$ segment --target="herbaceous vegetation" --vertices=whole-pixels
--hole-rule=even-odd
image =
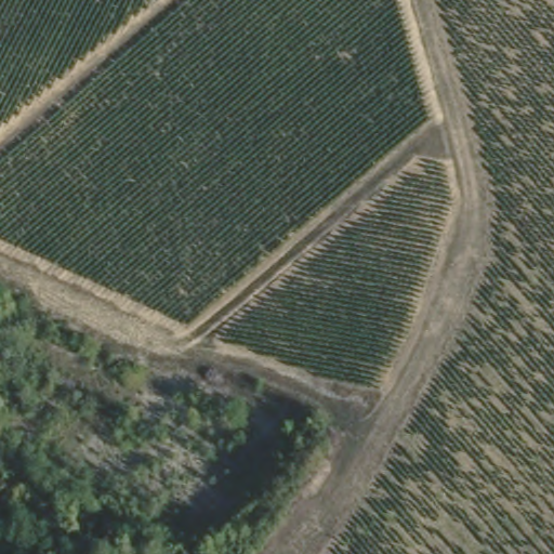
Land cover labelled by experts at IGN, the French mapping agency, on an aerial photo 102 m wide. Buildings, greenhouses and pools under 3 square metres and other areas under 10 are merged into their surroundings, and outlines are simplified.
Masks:
[[[416,416],[416,409],[428,394],[433,379],[439,374],[441,364],[461,351],[457,338],[467,318],[465,305],[476,299],[478,288],[485,281],[485,271],[496,262],[491,242],[491,223],[498,210],[493,197],[493,182],[491,175],[483,169],[480,139],[474,132],[470,100],[465,95],[461,74],[452,56],[452,48],[448,43],[448,32],[439,17],[437,0],[398,0],[420,89],[428,110],[426,121],[411,134],[407,134],[381,160],[377,160],[331,203],[318,210],[303,227],[290,232],[288,238],[275,251],[260,258],[258,266],[249,268],[240,281],[225,288],[221,296],[212,301],[193,322],[177,322],[156,309],[145,307],[143,303],[132,301],[126,294],[108,290],[87,277],[61,268],[54,262],[48,262],[30,251],[24,251],[22,247],[15,247],[11,242],[0,245],[0,294],[4,290],[11,290],[11,294],[15,294],[28,288],[39,301],[39,307],[50,312],[54,318],[65,318],[71,331],[84,331],[87,338],[95,338],[97,344],[104,344],[108,338],[113,338],[113,359],[132,359],[139,366],[147,368],[147,379],[141,385],[130,387],[126,381],[117,383],[108,379],[102,366],[97,366],[97,357],[84,357],[82,353],[71,353],[61,344],[35,338],[35,346],[43,351],[41,366],[50,368],[48,379],[56,381],[58,385],[69,387],[82,383],[89,390],[97,390],[110,400],[123,405],[134,420],[149,418],[149,405],[160,405],[162,396],[184,396],[193,392],[195,385],[206,394],[223,396],[229,394],[232,385],[249,390],[258,381],[264,383],[268,390],[264,390],[255,407],[249,409],[245,444],[240,444],[234,450],[227,450],[227,441],[223,441],[216,450],[216,457],[206,465],[201,465],[199,457],[193,450],[184,450],[169,437],[147,439],[141,446],[141,452],[119,454],[119,448],[113,446],[117,439],[115,431],[110,426],[104,426],[104,420],[95,411],[93,416],[87,416],[80,422],[69,418],[69,422],[54,435],[52,441],[67,452],[65,457],[76,467],[82,467],[87,461],[100,465],[102,470],[108,470],[113,465],[132,467],[136,483],[149,487],[147,493],[151,500],[151,515],[160,517],[160,526],[167,530],[167,539],[171,543],[184,545],[186,554],[203,554],[201,545],[208,537],[221,532],[245,504],[249,504],[255,498],[262,498],[264,493],[273,493],[277,489],[275,480],[279,476],[288,476],[296,444],[286,433],[283,424],[286,420],[292,420],[296,413],[301,413],[307,405],[314,411],[325,411],[331,418],[331,424],[327,428],[331,448],[340,448],[335,452],[335,461],[331,463],[331,474],[316,493],[307,485],[301,487],[279,511],[273,528],[249,554],[331,554],[335,543],[346,532],[351,517],[357,515],[368,502],[366,498],[387,498],[387,491],[377,485],[377,478],[387,472],[387,461],[394,448],[405,446],[409,452],[426,450],[426,437],[409,433],[409,424]],[[242,318],[271,290],[281,288],[283,281],[296,268],[301,268],[309,258],[316,258],[322,249],[327,249],[335,240],[335,236],[340,236],[342,229],[353,227],[353,223],[359,221],[366,212],[372,212],[374,206],[383,201],[390,195],[390,190],[396,184],[400,184],[403,177],[407,177],[409,173],[420,175],[422,164],[426,160],[439,162],[444,167],[450,199],[444,214],[444,223],[439,227],[439,238],[428,258],[428,268],[422,273],[420,283],[416,286],[413,305],[405,320],[403,335],[392,353],[390,364],[383,368],[381,377],[374,383],[359,385],[338,379],[314,377],[307,370],[286,366],[275,357],[258,355],[245,346],[223,342],[234,320]]]
[[[132,32],[136,32],[158,11],[162,11],[171,0],[149,0],[139,13],[130,15],[102,43],[97,43],[82,58],[78,58],[74,67],[69,67],[61,78],[52,80],[52,84],[48,84],[39,95],[19,106],[15,115],[0,123],[0,139],[11,141],[13,134],[22,130],[26,123],[30,123],[30,119],[39,110],[48,108],[54,97],[65,93],[89,69],[102,63],[119,43],[123,43]]]

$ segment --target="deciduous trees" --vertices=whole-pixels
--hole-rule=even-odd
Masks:
[[[0,554],[186,554],[184,545],[171,543],[167,539],[167,530],[160,526],[160,517],[151,515],[151,500],[147,493],[149,487],[136,483],[132,467],[113,465],[108,470],[102,470],[100,465],[87,461],[82,467],[76,467],[65,457],[67,452],[52,441],[39,435],[39,439],[28,444],[26,452],[22,452],[17,444],[22,439],[22,431],[17,431],[13,420],[26,422],[35,418],[39,403],[45,403],[58,385],[56,381],[48,379],[50,368],[41,366],[43,351],[35,346],[35,338],[32,320],[24,320],[22,325],[13,327],[11,320],[0,312]]]

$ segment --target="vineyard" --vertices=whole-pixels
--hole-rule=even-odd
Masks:
[[[335,543],[331,554],[554,554],[554,0],[437,0],[439,17],[448,32],[448,43],[452,48],[452,56],[461,74],[465,95],[470,100],[474,132],[480,139],[483,169],[491,175],[493,182],[493,197],[498,210],[491,223],[491,242],[496,262],[485,271],[485,281],[478,288],[476,299],[465,305],[467,318],[457,338],[461,351],[441,364],[439,374],[433,379],[428,394],[416,409],[416,416],[409,424],[409,433],[426,437],[426,450],[409,452],[405,446],[394,448],[387,461],[387,472],[377,478],[377,485],[387,491],[387,498],[366,498],[368,502],[357,515],[351,517],[346,532]]]
[[[177,322],[193,322],[212,301],[221,296],[225,288],[240,281],[249,268],[258,266],[260,258],[275,251],[288,238],[290,232],[303,227],[318,210],[331,203],[377,160],[381,160],[407,134],[411,134],[426,121],[428,110],[420,89],[398,0],[171,0],[162,11],[158,11],[136,32],[132,32],[123,43],[119,43],[102,63],[89,69],[65,93],[54,97],[48,108],[39,110],[30,119],[30,123],[26,123],[22,130],[13,134],[11,141],[0,139],[0,245],[11,242],[15,247],[22,247],[24,251],[30,251],[48,262],[54,262],[61,268],[87,277],[108,290],[126,294],[132,301],[143,303],[145,307],[156,309]]]
[[[309,258],[301,268],[296,268],[283,281],[281,288],[271,290],[242,318],[234,320],[223,342],[245,346],[258,355],[275,357],[286,366],[307,370],[314,377],[338,379],[359,385],[374,383],[381,377],[383,368],[390,364],[392,353],[403,335],[405,320],[413,305],[416,286],[420,283],[422,273],[428,268],[428,258],[439,238],[439,227],[444,223],[444,214],[450,199],[444,167],[439,162],[426,160],[422,164],[420,175],[409,173],[407,177],[403,177],[400,184],[396,184],[390,190],[390,195],[383,201],[374,206],[372,212],[366,212],[359,221],[353,223],[353,227],[342,229],[340,236],[335,236],[335,240],[327,249],[322,249],[316,258]]]
[[[0,0],[0,123],[15,115],[19,106],[39,95],[48,84],[52,84],[52,80],[61,78],[69,67],[74,67],[78,58],[82,58],[97,43],[102,43],[130,15],[139,13],[149,0]]]

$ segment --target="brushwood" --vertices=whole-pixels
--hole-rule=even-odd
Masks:
[[[110,400],[97,390],[89,390],[82,383],[69,387],[58,385],[45,403],[39,403],[35,418],[26,422],[13,420],[17,431],[22,431],[22,439],[17,444],[22,452],[26,452],[28,444],[39,439],[39,435],[52,441],[54,435],[69,422],[69,418],[80,422],[87,416],[93,416],[95,411],[104,420],[104,426],[110,426],[115,431],[117,439],[113,446],[119,448],[119,454],[141,452],[141,446],[147,439],[169,437],[184,450],[193,450],[199,457],[201,465],[206,465],[216,457],[216,450],[223,441],[227,441],[227,450],[234,450],[240,444],[245,444],[249,409],[255,407],[264,390],[268,390],[264,383],[258,381],[249,390],[232,385],[229,394],[223,396],[206,394],[195,385],[193,392],[184,396],[162,396],[160,405],[149,405],[149,418],[134,420],[123,405]]]
[[[273,528],[279,511],[301,487],[307,485],[316,493],[331,474],[331,463],[335,461],[335,452],[340,448],[331,448],[327,428],[331,424],[331,418],[325,411],[314,411],[307,405],[301,413],[296,413],[292,420],[286,420],[283,424],[286,433],[296,444],[288,476],[279,476],[275,480],[277,489],[273,493],[264,493],[262,498],[255,498],[249,504],[245,504],[221,532],[208,537],[201,545],[203,554],[249,554]]]
[[[126,381],[130,387],[141,385],[147,379],[147,368],[139,366],[132,359],[113,359],[113,338],[108,338],[104,344],[97,344],[95,338],[87,338],[84,331],[71,331],[65,318],[54,318],[50,312],[39,307],[39,301],[28,288],[15,294],[11,294],[11,290],[4,290],[0,294],[0,312],[11,320],[13,327],[22,325],[24,320],[32,320],[35,338],[61,344],[71,353],[82,353],[84,357],[97,357],[97,366],[102,366],[108,379],[117,383]]]

